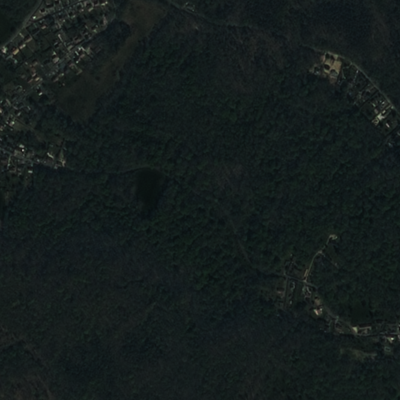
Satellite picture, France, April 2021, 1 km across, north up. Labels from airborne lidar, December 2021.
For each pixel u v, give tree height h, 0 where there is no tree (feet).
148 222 63
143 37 0
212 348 73
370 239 93
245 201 110
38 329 48
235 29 61
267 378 46
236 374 55
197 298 79
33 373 88
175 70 62
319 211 105
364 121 96
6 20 0
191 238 86
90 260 97
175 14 62
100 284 77
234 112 80
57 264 94
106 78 0
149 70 68
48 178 90
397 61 45
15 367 74
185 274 90
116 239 96
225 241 59
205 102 79
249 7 77
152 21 0
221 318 85
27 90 0
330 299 79
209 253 75
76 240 96
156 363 77
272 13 70
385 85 61
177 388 59
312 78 56
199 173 118
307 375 79
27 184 0
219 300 45
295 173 75
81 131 85
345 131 109
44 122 99
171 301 78
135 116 77
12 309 33
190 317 33
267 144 103
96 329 79
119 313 62
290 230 91
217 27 88
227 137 85
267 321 94
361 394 109
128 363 62
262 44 72
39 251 80
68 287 83
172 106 75
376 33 64
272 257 64
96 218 94
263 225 77
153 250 93
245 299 70
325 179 79
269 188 72
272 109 105
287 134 63
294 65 88
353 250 79
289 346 89
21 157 0
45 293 80
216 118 88
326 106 51
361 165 90
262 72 86
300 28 67
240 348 60
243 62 78
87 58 0
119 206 60
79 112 0
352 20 88
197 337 75
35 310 54
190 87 81
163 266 96
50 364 79
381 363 86
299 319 67
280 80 79
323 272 67
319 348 71
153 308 48
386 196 67
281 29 70
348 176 101
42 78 0
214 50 61
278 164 97
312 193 104
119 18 41
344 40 62
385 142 64
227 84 73
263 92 82
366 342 44
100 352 68
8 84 0
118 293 74
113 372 72
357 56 74
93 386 75
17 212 70
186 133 95
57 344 85
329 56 31
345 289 95
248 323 92
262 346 88
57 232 66
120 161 81
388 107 0
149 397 66
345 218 87
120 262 93
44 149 42
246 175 58
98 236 101
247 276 98
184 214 52
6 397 81
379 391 100
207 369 64
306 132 73
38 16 0
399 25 63
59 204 90
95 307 82
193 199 99
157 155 77
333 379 87
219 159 75
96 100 0
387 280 91
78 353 68
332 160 76
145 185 0
